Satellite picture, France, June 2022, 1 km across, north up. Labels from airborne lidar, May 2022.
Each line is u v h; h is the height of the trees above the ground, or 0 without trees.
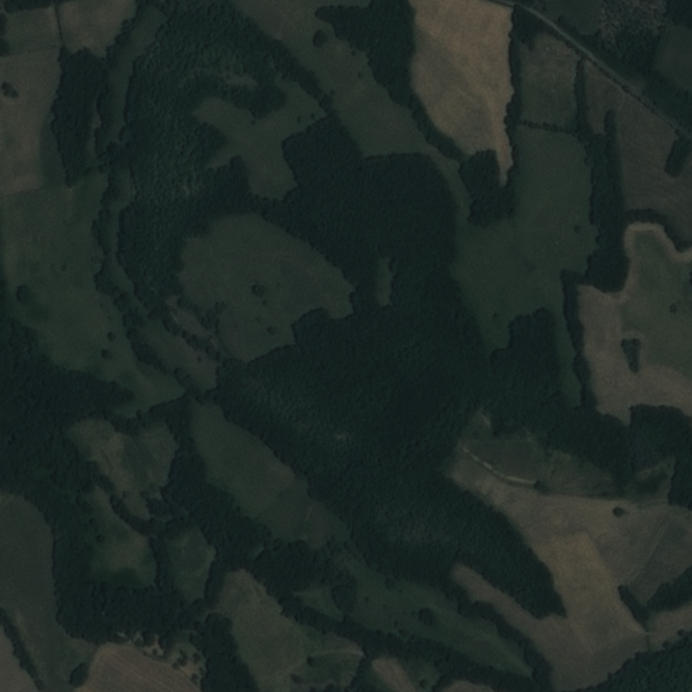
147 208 11
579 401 0
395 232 19
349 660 0
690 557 0
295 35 0
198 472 14
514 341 19
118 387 18
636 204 0
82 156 21
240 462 0
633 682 9
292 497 0
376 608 0
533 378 19
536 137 0
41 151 0
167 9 14
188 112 11
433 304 11
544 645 0
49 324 0
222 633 25
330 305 0
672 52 0
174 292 12
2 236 0
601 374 0
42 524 0
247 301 0
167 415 17
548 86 0
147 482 0
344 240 20
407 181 21
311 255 0
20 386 22
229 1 10
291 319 0
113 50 22
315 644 0
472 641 0
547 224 0
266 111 14
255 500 0
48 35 0
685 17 18
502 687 19
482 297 0
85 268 0
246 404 12
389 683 0
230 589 0
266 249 0
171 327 16
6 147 0
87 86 20
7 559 0
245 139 0
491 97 0
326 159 16
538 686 18
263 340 0
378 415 13
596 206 15
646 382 0
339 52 0
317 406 8
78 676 17
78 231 0
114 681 0
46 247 0
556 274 0
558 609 16
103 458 0
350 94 0
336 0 0
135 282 13
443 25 0
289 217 22
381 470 13
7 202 0
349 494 16
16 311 0
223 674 23
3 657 0
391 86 12
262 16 0
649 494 0
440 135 12
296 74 14
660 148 0
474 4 0
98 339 0
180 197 6
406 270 14
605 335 0
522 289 0
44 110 0
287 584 24
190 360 0
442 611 0
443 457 15
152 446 0
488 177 13
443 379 14
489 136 0
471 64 0
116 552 0
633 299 0
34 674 12
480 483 0
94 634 20
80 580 22
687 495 16
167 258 11
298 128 0
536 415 12
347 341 22
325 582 14
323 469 14
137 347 17
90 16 0
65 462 15
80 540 19
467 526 10
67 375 19
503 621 14
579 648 0
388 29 15
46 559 0
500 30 0
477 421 0
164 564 18
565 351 0
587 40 15
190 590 0
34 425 28
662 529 0
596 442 11
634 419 13
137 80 16
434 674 0
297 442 13
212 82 10
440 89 0
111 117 20
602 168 8
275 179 0
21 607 0
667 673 12
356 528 18
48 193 0
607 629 0
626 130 0
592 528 0
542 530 0
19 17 0
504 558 10
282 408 7
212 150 14
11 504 0
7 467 27
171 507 26
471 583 0
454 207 20
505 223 0
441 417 13
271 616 0
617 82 9
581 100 12
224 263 0
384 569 17
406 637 14
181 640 0
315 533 0
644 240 0
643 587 0
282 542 15
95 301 0
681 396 0
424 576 15
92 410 25
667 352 0
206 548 0
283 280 0
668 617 0
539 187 0
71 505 15
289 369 16
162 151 8
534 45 11
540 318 17
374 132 0
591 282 20
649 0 15
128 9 0
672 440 10
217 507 17
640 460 21
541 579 15
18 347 16
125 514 19
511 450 0
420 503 10
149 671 0
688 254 0
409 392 13
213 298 0
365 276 18
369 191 21
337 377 17
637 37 10
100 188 0
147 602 27
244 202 19
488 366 14
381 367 14
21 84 0
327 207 20
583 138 11
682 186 0
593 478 0
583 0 0
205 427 0
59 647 0
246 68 8
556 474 0
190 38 11
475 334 20
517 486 0
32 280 0
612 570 0
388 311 19
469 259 0
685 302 0
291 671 0
